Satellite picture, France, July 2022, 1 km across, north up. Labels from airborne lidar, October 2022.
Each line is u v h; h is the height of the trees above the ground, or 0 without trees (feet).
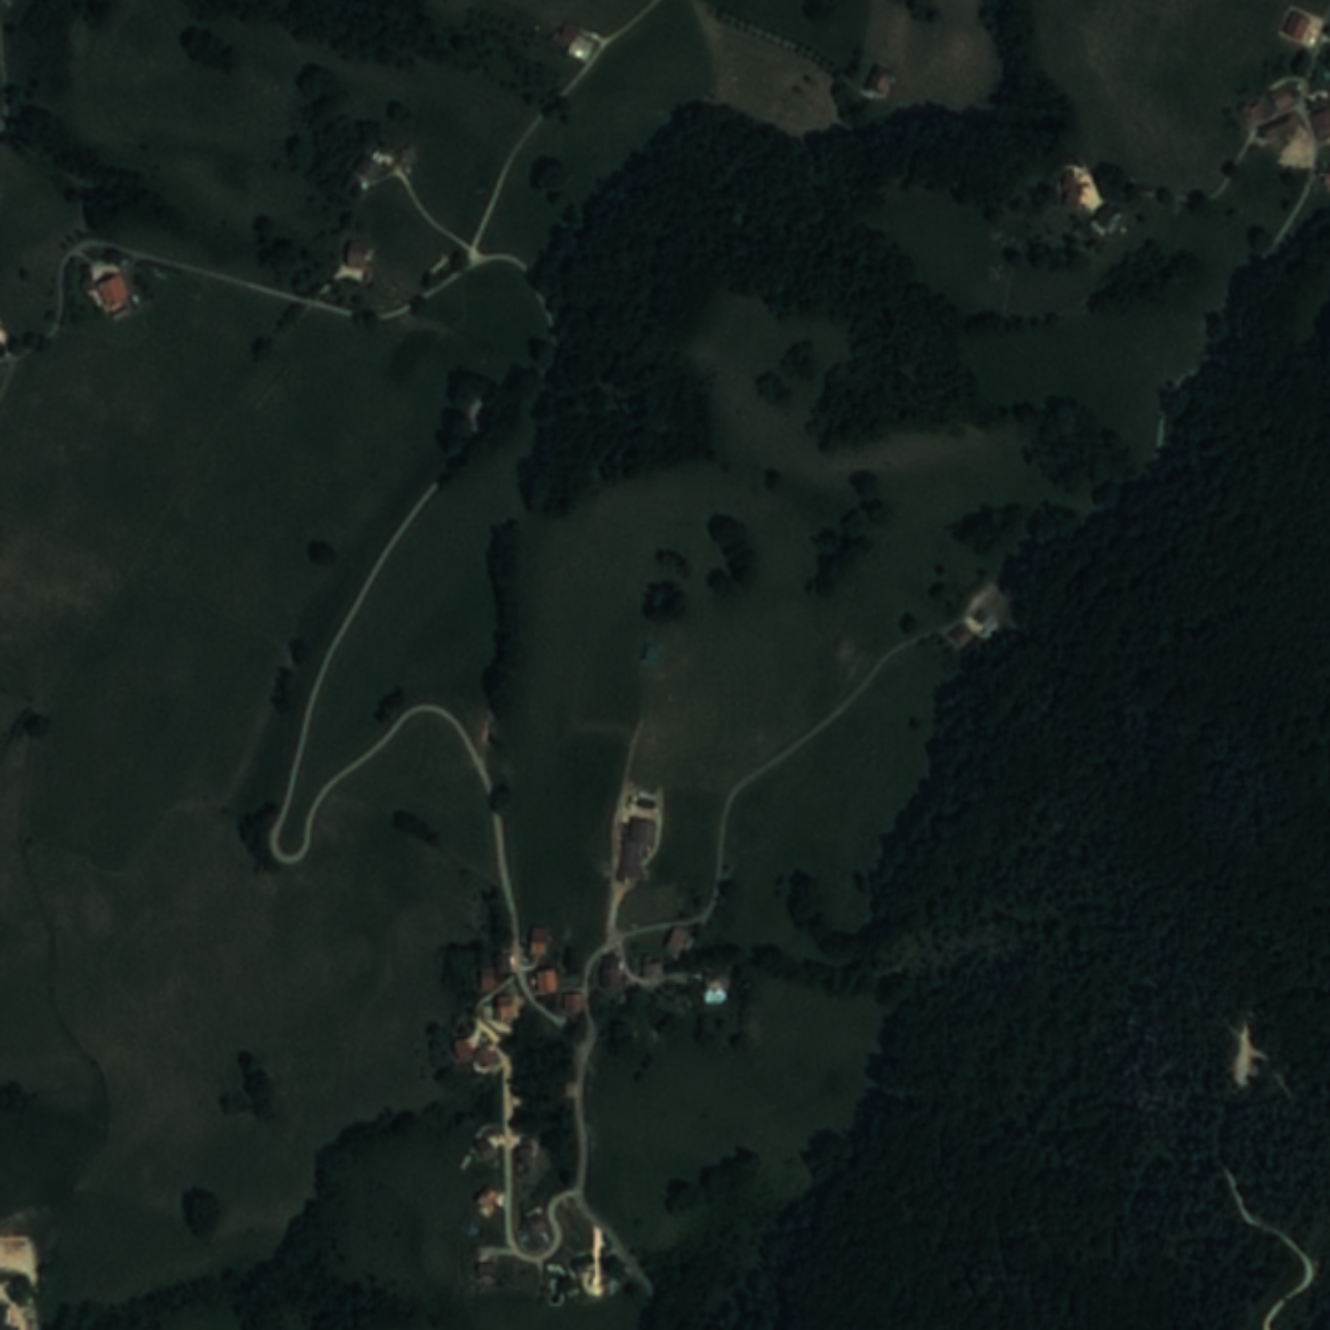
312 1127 0
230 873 0
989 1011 33
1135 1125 70
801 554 0
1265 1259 43
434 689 0
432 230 0
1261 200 0
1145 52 0
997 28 27
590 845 0
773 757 0
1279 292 75
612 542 0
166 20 0
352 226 41
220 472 0
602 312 62
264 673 0
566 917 0
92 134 0
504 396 55
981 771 65
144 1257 0
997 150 115
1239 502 76
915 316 73
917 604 0
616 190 65
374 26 71
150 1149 0
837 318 31
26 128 58
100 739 0
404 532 0
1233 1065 26
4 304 0
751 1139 0
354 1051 0
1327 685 97
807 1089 0
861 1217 117
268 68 0
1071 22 0
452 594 0
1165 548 102
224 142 0
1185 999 56
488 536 0
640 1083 20
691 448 68
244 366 0
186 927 0
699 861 0
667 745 0
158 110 0
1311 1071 42
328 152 32
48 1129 0
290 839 0
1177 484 93
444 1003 0
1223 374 76
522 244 0
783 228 60
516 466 0
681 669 0
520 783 0
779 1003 0
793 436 0
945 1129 57
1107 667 88
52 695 0
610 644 0
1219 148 0
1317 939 84
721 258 72
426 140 0
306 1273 54
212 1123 0
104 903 0
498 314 0
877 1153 82
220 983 0
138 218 26
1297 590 72
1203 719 66
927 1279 80
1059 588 73
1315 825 76
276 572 0
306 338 0
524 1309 0
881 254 97
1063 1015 51
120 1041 0
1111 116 0
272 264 53
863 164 83
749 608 0
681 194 67
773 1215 24
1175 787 92
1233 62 0
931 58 0
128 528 0
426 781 0
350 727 0
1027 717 97
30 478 0
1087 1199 70
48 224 0
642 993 41
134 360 0
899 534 0
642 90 0
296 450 0
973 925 23
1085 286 0
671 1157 0
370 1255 0
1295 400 84
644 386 84
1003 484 0
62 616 0
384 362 0
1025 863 34
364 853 0
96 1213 0
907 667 0
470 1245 0
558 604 0
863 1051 0
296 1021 0
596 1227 0
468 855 0
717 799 0
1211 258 0
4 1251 0
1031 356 0
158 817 0
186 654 0
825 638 0
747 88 0
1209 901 90
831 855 0
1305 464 86
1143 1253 68
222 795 0
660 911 0
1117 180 57
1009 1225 69
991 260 0
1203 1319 38
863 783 0
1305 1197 54
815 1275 114
